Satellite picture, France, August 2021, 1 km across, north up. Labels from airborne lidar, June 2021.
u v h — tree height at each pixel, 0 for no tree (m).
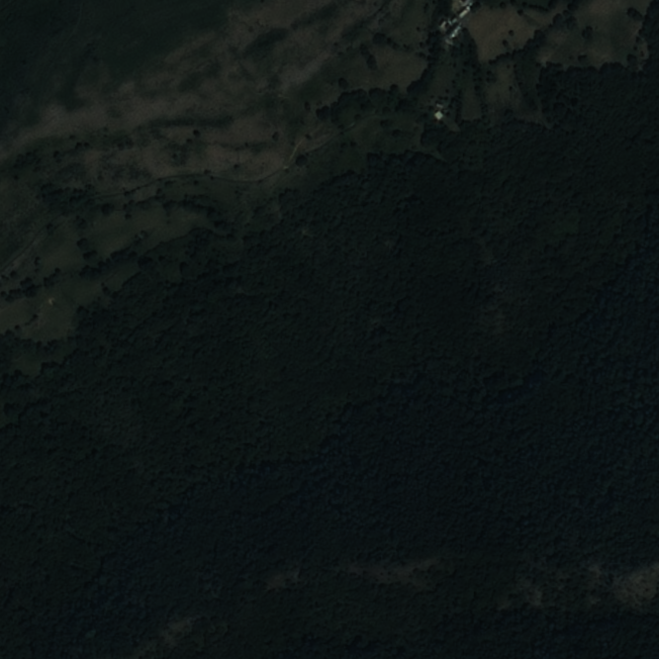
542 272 15
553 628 22
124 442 21
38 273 9
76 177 0
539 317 18
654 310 25
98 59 0
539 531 14
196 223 0
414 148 7
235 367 20
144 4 0
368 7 0
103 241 0
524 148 17
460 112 8
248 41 0
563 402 28
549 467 25
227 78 0
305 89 0
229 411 25
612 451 21
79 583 29
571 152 12
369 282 22
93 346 21
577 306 27
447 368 17
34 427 32
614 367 30
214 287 14
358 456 22
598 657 19
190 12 0
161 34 0
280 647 28
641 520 15
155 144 0
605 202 10
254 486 28
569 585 13
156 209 0
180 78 0
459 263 15
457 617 24
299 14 0
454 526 22
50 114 0
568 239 12
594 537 16
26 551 23
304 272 26
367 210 20
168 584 16
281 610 24
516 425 26
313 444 28
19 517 26
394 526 21
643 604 9
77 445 28
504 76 0
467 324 13
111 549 31
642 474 23
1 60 0
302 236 24
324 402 25
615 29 0
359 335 22
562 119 14
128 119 0
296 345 21
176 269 0
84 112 0
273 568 14
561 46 0
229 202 0
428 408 18
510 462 23
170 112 0
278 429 22
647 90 22
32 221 0
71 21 0
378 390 30
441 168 17
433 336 25
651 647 21
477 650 22
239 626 16
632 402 26
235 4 0
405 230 24
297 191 14
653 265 21
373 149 0
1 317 0
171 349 20
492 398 18
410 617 23
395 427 20
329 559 14
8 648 24
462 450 27
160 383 20
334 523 25
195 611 9
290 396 20
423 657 26
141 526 25
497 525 26
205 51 0
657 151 24
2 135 0
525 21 0
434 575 12
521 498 23
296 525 19
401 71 0
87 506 24
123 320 8
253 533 14
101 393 19
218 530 20
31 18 0
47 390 13
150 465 22
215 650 10
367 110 21
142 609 7
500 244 17
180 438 23
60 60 0
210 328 23
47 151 0
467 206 13
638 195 10
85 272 14
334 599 17
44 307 0
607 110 20
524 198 12
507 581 12
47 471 18
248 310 19
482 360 17
